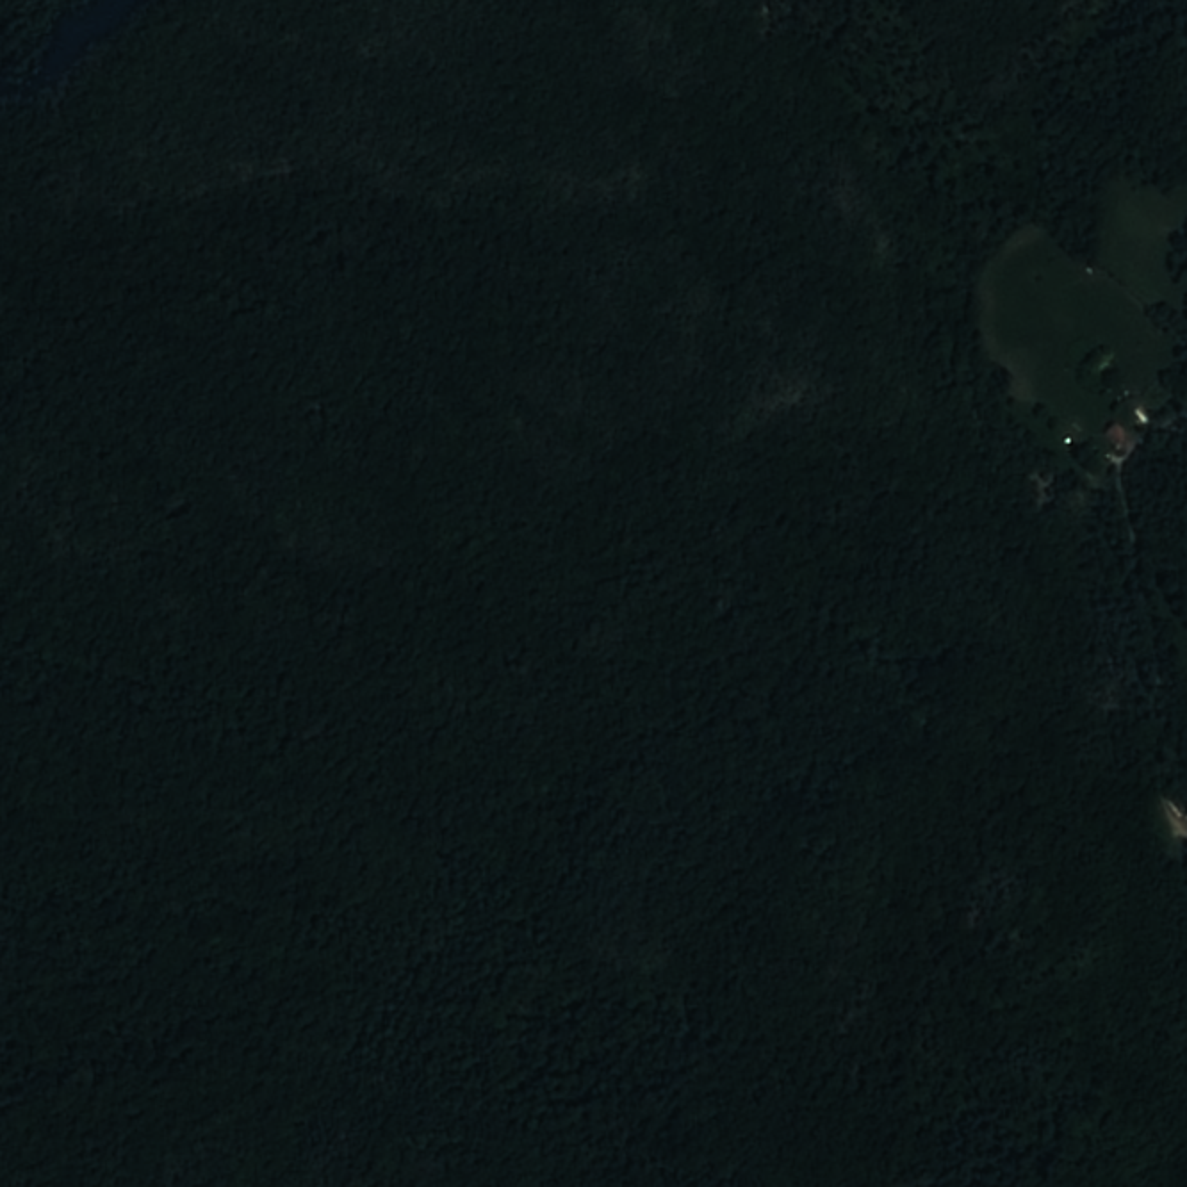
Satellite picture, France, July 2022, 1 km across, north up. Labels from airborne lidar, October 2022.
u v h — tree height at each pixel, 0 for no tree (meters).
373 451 11
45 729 18
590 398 10
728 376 10
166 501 22
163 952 21
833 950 12
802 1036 10
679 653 9
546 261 14
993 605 14
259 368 17
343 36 7
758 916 15
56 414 15
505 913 18
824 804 17
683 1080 22
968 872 26
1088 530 11
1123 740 18
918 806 17
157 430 9
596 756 13
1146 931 8
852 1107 22
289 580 22
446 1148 14
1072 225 11
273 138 9
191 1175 14
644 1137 20
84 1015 17
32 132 15
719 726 23
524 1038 19
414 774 14
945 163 16
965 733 12
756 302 9
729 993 16
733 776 15
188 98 8
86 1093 14
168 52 9
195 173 6
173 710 16
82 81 10
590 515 13
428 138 7
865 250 8
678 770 18
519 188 11
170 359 14
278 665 14
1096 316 0
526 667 24
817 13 19
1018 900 23
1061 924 13
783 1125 24
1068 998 11
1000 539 15
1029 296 0
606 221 11
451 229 23
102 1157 13
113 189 9
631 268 9
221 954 17
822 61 19
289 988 17
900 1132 23
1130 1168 9
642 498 23
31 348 19
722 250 14
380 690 10
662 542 13
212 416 13
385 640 17
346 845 17
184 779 15
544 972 16
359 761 12
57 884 13
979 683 14
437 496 11
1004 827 22
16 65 19
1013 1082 13
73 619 12
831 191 8
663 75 8
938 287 13
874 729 16
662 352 9
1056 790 25
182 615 8
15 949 12
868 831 14
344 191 11
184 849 16
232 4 8
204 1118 13
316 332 9
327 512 9
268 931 13
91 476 17
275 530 8
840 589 15
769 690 14
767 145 13
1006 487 12
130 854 17
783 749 20
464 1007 18
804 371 6
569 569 13
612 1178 19
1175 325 17
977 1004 25
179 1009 15
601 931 10
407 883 15
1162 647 22
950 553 15
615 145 7
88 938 12
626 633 10
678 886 13
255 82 12
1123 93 11
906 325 23
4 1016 16
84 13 14
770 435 13
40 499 12
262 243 23
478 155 7
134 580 8
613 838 9
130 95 10
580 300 13
